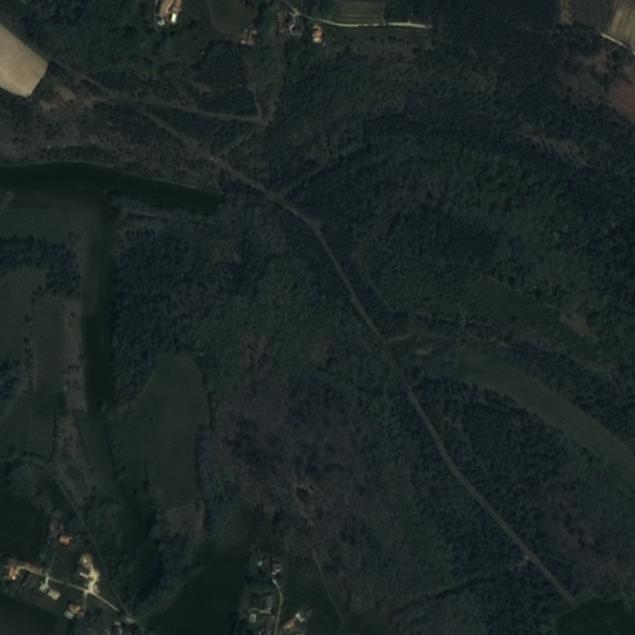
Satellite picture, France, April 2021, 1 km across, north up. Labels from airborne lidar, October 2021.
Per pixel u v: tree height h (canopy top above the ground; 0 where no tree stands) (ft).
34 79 0
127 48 66
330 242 48
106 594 0
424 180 36
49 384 0
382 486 42
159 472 0
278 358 66
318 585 0
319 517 36
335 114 39
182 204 0
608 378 36
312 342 76
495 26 71
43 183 0
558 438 53
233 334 61
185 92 53
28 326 21
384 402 81
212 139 38
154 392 0
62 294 51
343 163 60
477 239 65
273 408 52
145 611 66
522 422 50
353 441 46
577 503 34
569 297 58
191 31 28
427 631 62
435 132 43
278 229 77
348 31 0
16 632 0
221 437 54
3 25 0
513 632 44
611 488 64
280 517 36
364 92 20
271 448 67
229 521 63
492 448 41
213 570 0
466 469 32
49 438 0
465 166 68
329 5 77
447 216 56
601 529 46
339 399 70
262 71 71
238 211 81
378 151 52
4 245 33
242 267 27
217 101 49
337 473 75
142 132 55
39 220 0
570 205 90
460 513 22
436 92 25
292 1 35
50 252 44
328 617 0
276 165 40
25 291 0
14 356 0
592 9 50
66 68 64
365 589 56
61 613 0
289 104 22
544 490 65
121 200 67
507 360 61
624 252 77
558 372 54
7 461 0
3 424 0
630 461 0
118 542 50
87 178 0
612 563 62
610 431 52
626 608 0
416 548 75
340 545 56
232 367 67
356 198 45
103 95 53
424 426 55
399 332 53
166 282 61
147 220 64
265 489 61
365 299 58
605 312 55
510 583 62
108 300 0
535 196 80
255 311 64
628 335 57
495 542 56
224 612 0
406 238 49
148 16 67
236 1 0
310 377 53
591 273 34
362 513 57
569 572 57
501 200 65
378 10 0
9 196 68
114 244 0
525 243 74
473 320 20
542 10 79
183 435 0
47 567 29
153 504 23
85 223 0
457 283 30
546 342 35
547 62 79
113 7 65
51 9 60
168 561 50
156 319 63
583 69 52
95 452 0
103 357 0
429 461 49
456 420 45
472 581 69
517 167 97
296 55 53
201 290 36
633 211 68
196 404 0
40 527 0
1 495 0
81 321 0
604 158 40
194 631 0
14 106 43
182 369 0
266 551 0
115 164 33
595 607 0
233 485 65
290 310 73
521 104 58
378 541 55
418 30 0
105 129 25
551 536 38
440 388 53
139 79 57
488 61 57
